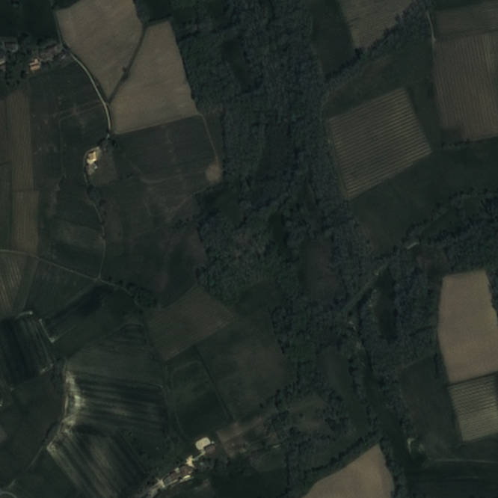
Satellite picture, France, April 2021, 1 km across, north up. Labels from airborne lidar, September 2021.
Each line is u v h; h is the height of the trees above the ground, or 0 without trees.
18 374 0
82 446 0
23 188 0
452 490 0
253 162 21
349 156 0
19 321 0
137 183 0
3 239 0
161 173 0
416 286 21
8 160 0
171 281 0
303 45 19
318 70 18
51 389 0
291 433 17
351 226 20
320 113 17
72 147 0
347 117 0
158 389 0
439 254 0
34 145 0
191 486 0
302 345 24
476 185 0
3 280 0
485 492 0
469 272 16
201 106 22
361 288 21
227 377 0
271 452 0
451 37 0
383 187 0
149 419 0
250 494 0
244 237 19
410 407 0
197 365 0
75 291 0
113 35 0
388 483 0
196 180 0
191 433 0
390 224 0
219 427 0
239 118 24
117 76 0
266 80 30
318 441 17
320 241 16
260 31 33
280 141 15
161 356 0
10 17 0
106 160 0
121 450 0
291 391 13
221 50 7
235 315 0
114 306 0
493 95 0
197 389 0
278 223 0
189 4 22
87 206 0
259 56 29
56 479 0
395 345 23
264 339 0
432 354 29
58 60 9
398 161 0
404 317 14
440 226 0
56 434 9
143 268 0
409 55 0
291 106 19
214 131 0
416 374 0
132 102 0
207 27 24
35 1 0
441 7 0
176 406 0
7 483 0
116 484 0
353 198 0
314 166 22
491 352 0
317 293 6
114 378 0
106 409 0
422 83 0
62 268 0
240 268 23
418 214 0
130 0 0
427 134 0
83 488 0
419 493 0
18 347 0
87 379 0
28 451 0
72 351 0
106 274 0
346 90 0
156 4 0
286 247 19
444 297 0
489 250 24
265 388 0
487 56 0
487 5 0
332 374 0
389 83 0
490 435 0
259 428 0
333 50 0
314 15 0
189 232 0
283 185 18
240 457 0
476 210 0
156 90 0
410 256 13
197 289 0
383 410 0
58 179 0
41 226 0
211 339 0
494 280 20
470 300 0
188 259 0
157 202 0
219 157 0
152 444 0
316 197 21
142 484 0
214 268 23
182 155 0
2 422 0
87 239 0
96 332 0
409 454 0
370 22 0
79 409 0
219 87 24
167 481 0
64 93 0
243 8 25
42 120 0
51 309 0
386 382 14
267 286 0
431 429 0
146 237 0
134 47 0
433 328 14
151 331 0
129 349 0
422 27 15
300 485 18
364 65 18
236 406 0
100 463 0
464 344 0
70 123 0
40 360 0
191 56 22
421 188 0
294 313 17
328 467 9
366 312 21
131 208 0
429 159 0
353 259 20
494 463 0
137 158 0
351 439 0
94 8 0
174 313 0
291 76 17
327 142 8
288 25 21
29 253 0
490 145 0
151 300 14
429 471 0
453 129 0
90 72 0
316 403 0
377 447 0
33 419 0
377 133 0
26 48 14
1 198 0
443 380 17
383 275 9
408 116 0
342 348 24
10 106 0
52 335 0
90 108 0
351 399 0
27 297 0
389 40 19
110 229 0
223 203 0
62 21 0
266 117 14
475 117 0
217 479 0
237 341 0
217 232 20
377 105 0
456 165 0
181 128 0
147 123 0
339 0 0
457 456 0
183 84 0
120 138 0
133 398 0
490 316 0
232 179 19
